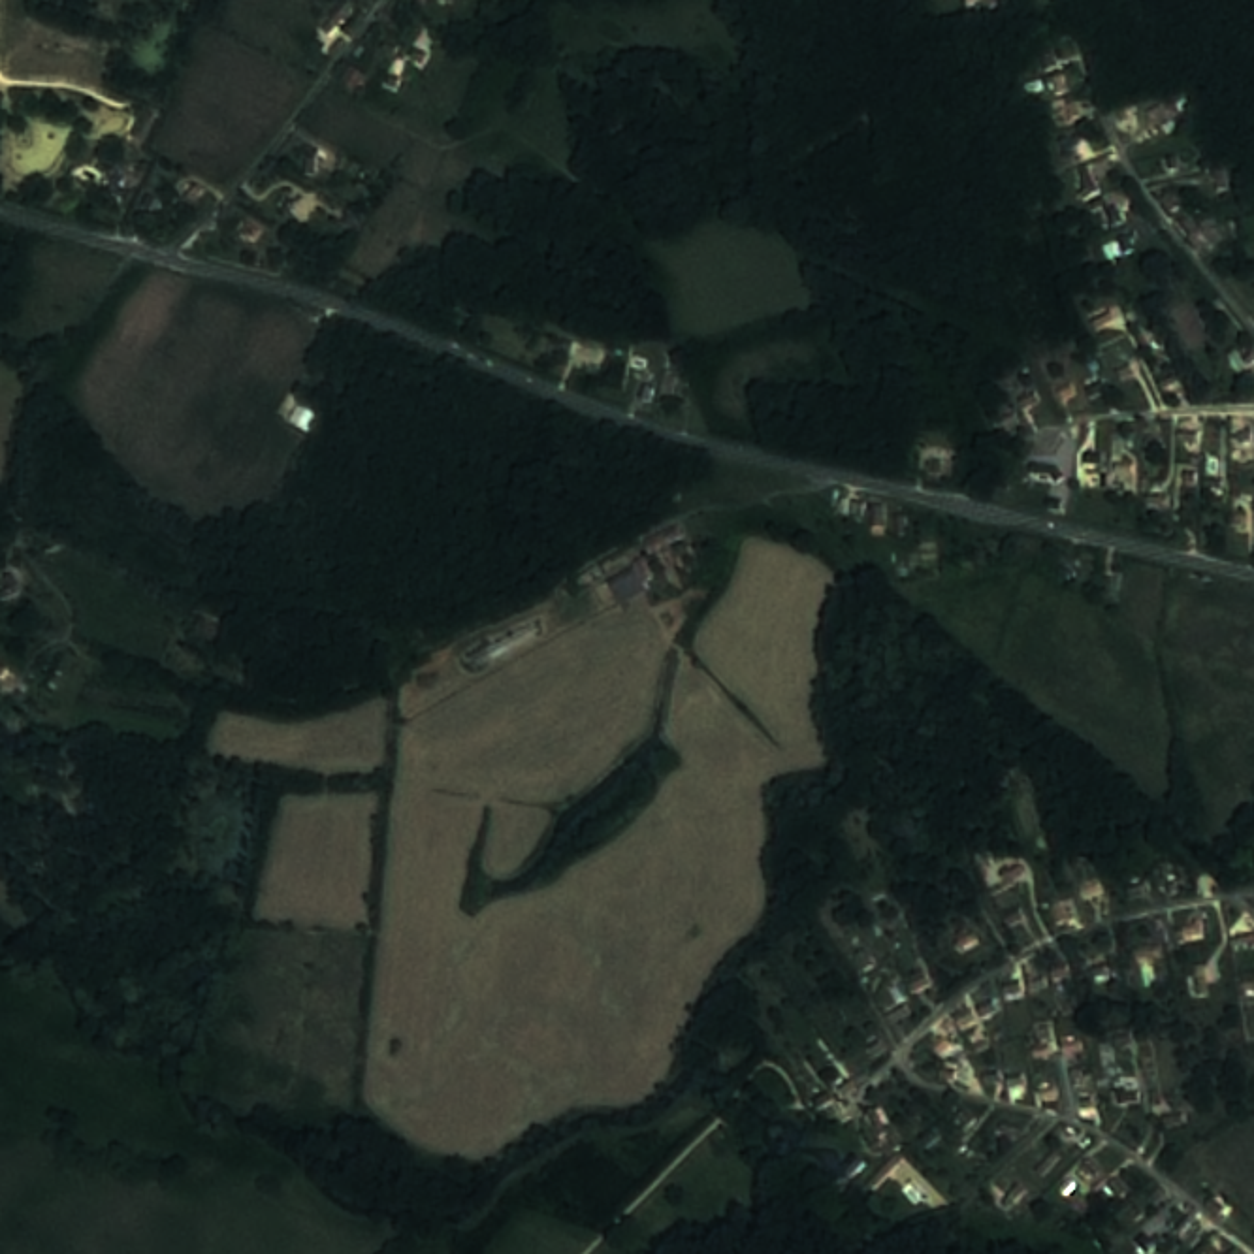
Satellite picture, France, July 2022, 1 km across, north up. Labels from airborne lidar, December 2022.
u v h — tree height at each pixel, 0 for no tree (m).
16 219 0
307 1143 18
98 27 16
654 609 0
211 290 0
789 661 0
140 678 18
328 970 0
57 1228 0
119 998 19
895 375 21
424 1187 36
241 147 0
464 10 0
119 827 16
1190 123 19
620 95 24
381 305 9
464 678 0
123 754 23
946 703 18
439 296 17
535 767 0
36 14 12
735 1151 0
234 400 0
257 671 23
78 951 25
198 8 10
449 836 0
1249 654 0
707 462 18
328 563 13
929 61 20
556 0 13
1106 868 19
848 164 12
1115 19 21
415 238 0
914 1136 0
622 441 19
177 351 0
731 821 0
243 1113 0
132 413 0
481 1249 7
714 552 14
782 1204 27
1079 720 0
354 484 19
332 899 0
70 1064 0
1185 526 9
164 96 8
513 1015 0
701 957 0
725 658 0
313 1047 0
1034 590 0
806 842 18
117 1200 0
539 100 0
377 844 6
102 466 14
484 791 0
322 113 0
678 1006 0
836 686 20
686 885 0
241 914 17
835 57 28
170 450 0
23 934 11
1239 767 0
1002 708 20
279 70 0
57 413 14
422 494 21
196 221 0
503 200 27
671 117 18
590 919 0
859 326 18
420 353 6
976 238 23
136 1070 0
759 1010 21
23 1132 0
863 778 21
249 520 14
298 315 0
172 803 20
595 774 0
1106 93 18
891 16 23
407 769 0
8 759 26
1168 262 18
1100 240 9
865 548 0
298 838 0
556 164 0
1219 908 0
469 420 23
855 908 16
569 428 18
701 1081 19
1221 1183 0
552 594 14
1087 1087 0
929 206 13
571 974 0
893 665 21
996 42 21
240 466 0
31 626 20
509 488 16
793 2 23
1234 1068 14
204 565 15
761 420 19
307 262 14
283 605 11
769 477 0
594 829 20
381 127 0
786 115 22
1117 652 0
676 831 0
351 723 0
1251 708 0
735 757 0
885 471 19
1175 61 20
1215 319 15
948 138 19
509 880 0
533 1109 0
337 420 16
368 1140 32
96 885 22
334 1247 0
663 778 0
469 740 0
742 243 0
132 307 0
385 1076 0
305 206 0
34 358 14
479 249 24
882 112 23
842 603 29
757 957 15
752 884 0
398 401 24
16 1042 0
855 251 23
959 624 0
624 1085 0
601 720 0
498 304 24
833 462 14
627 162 13
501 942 0
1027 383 12
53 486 10
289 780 7
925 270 20
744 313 0
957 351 8
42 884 17
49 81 0
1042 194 15
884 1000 0
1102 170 0
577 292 20
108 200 8
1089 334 8
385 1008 0
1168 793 0
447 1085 0
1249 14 24
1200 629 0
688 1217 0
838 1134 18
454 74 0
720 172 10
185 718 7
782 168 25
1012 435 13
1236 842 17
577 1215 22
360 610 9
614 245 15
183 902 22
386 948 0
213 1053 11
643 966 0
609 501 25
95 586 0
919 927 6
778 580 0
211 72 0
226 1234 0
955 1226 8
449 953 0
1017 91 23
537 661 0
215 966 13
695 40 0
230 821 0
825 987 12
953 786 18
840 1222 33
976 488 15
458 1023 0
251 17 0
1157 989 9
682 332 0
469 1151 0
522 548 18
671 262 0
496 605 16
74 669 0
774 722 0
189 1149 0
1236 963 0
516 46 21
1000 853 13
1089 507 0
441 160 0
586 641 0
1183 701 0
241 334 0
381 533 21
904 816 7
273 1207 0
